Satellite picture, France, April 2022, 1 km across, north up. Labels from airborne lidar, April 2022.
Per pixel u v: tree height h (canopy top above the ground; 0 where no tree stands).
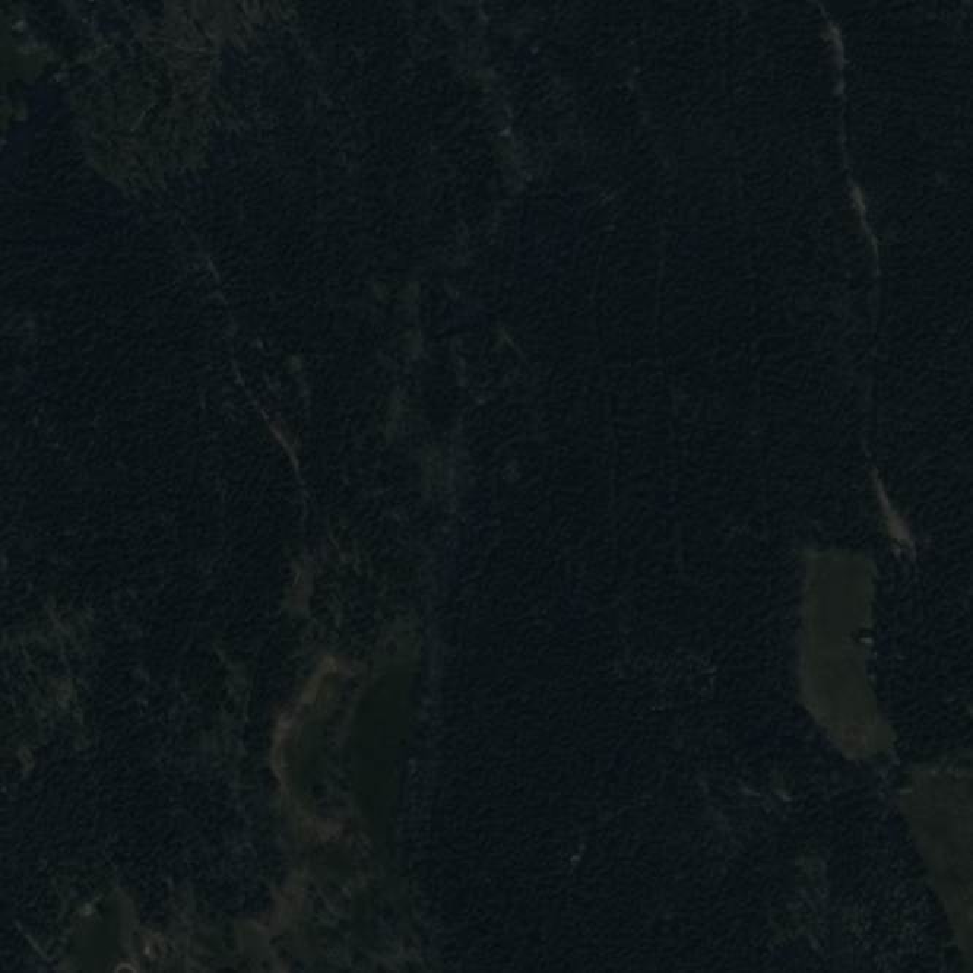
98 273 25
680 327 18
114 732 32
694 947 18
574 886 21
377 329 22
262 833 29
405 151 28
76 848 19
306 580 9
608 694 23
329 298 30
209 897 20
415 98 28
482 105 34
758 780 29
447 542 23
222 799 30
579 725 27
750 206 19
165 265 24
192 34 0
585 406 25
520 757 20
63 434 28
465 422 26
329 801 24
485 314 25
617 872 21
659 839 21
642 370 27
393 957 23
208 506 28
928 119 19
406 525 14
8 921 21
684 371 30
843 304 23
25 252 25
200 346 26
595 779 25
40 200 24
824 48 21
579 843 25
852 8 18
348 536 21
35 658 25
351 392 23
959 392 22
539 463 23
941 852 0
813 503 19
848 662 0
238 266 22
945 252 20
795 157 18
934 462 22
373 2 32
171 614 26
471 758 25
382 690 0
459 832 21
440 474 21
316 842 0
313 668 29
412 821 26
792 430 22
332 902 22
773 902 27
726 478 25
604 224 28
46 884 21
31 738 15
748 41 23
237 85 25
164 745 26
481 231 26
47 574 23
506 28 18
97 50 20
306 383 24
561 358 20
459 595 25
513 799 21
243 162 22
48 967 21
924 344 22
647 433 21
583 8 14
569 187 29
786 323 21
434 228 30
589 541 28
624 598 25
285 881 25
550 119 22
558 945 22
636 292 21
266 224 26
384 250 31
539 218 25
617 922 21
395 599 22
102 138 9
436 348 20
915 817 0
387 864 0
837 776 22
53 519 24
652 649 24
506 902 24
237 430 29
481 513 25
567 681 23
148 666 21
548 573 22
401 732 0
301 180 25
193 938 13
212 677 30
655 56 23
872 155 15
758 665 22
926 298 19
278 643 20
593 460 21
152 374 28
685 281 21
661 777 23
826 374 22
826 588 0
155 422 25
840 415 26
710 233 22
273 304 27
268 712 21
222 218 26
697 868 19
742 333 23
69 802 24
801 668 21
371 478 27
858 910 29
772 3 15
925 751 24
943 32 21
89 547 30
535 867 21
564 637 23
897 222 17
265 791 37
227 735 24
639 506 18
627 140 20
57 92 10
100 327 29
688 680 29
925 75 20
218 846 15
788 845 29
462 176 29
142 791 28
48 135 30
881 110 17
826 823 28
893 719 17
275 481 24
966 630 22
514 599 22
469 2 22
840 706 0
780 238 21
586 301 23
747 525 20
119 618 22
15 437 23
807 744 27
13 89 0
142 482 26
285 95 24
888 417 23
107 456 28
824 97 18
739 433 20
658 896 22
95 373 24
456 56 27
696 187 18
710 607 17
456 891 21
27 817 15
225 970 0
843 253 23
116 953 0
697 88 20
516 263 25
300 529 23
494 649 22
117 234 31
